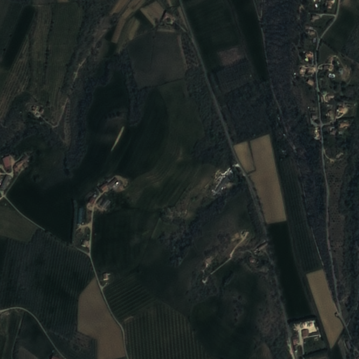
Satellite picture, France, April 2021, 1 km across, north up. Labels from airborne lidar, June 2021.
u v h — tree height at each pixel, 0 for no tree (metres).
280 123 11
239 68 24
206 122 9
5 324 0
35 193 0
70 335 8
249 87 25
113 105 0
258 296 0
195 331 9
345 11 0
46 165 0
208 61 0
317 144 16
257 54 0
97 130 0
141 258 0
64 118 9
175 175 0
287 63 11
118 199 0
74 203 10
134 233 0
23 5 10
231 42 0
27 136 14
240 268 0
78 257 6
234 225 0
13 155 11
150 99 0
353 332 12
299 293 0
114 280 0
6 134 21
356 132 31
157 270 0
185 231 8
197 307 0
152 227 0
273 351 8
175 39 0
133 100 8
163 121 0
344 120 8
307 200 15
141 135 0
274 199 0
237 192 14
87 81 14
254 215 12
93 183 0
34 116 11
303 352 0
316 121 8
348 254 12
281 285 0
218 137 8
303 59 11
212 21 0
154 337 6
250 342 0
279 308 10
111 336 0
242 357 0
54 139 18
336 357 0
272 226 0
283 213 0
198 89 10
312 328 0
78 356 6
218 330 0
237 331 0
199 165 0
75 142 8
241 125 15
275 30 13
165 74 0
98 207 0
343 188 9
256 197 0
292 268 0
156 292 0
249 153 0
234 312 7
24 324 0
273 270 20
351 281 14
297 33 18
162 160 0
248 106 17
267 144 0
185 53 6
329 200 0
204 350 0
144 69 0
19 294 9
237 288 0
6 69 0
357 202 22
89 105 10
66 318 6
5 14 0
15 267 9
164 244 20
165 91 0
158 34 0
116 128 0
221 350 0
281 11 15
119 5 0
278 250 0
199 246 0
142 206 0
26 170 8
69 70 17
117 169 0
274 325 11
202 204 9
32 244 11
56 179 0
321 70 8
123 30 0
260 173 0
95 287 0
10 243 8
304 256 6
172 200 0
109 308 0
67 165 11
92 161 0
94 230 0
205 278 15
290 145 15
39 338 0
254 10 0
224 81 25
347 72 0
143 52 0
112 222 0
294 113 13
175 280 0
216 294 7
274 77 15
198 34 0
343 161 9
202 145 13
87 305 0
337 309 0
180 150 0
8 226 0
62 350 6
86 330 0
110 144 0
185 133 0
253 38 0
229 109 17
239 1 0
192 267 0
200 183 0
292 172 7
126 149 0
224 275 0
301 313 0
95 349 6
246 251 10
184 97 0
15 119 17
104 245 0
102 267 0
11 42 0
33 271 9
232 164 10
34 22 7
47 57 8
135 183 0
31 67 10
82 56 12
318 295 0
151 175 0
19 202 0
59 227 0
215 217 6
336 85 10
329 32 0
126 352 0
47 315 7
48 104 12
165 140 0
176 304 0
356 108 0
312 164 21
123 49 7
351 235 13
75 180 0
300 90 9
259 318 0
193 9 0
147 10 0
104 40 0
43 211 0
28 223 0
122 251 0
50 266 6
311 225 16
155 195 0
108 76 14
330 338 0
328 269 11
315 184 10
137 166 0
